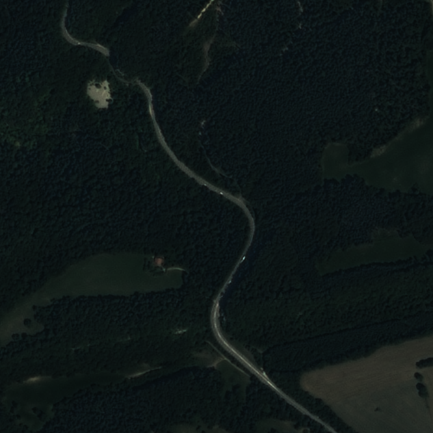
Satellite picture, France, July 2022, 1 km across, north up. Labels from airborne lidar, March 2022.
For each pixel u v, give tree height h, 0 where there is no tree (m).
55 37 24
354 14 27
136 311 22
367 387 0
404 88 30
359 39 31
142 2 29
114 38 27
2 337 0
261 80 32
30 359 24
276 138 26
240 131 31
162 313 20
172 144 9
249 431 17
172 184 27
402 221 23
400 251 0
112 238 24
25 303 0
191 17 29
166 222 23
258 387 19
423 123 0
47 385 0
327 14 25
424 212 27
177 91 28
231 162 34
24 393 0
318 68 33
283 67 32
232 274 0
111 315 23
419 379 19
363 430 0
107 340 15
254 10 32
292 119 30
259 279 30
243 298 21
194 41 6
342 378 0
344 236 23
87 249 14
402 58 27
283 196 32
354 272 22
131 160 30
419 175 0
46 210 30
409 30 24
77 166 27
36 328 0
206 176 14
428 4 17
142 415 24
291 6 36
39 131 25
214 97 35
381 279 17
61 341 18
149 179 31
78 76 34
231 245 26
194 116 40
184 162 14
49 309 9
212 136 32
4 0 27
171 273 0
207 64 0
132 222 28
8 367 30
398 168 0
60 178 25
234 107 34
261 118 26
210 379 29
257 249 12
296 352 10
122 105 20
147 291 0
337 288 21
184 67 7
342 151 0
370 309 24
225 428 7
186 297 25
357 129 31
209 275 34
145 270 7
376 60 30
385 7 6
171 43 27
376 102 26
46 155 24
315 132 27
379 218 28
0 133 32
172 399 28
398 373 0
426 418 0
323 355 12
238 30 35
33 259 17
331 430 0
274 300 24
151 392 34
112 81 17
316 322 26
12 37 23
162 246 19
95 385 12
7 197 31
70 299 13
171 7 20
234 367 0
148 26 20
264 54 42
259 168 24
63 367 31
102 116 19
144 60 19
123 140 27
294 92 31
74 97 27
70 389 0
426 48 10
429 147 0
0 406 21
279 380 21
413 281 11
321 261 16
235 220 27
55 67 25
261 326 23
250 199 18
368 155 15
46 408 0
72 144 25
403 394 0
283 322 24
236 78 36
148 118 25
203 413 18
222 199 19
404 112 24
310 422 27
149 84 20
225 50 8
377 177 0
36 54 19
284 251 30
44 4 25
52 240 31
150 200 30
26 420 0
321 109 29
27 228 34
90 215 26
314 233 30
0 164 26
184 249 17
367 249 0
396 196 18
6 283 25
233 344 0
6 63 21
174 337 23
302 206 29
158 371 9
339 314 29
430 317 22
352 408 0
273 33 33
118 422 18
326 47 26
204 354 0
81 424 26
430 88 28
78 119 31
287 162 28
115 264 0
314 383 0
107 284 0
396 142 0
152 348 33
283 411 25
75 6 21
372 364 0
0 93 15
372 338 14
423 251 0
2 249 34
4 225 32
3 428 18
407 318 19
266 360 21
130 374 0
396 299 19
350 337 17
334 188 31
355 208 30
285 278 29
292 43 36
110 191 23
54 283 0
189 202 32
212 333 11
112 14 25
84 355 26
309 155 30
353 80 27
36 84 11
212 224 32
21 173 30
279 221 27
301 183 30
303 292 27
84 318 23
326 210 31
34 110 28
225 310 17
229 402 15
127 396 27
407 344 0
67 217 25
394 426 0
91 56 27
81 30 15
